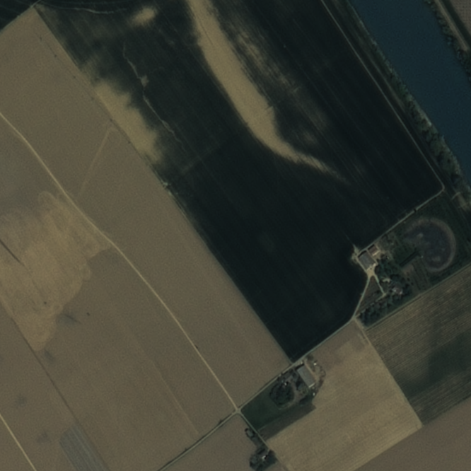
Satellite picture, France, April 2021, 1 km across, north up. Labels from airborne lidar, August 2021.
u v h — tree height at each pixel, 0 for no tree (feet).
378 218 0
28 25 0
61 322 0
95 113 0
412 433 0
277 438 0
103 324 0
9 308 0
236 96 0
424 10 0
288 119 0
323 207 0
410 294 35
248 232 0
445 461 0
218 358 0
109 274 0
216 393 0
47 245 0
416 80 0
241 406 0
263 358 0
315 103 0
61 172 0
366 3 0
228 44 0
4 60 0
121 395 0
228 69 0
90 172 0
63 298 0
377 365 0
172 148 0
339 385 0
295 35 0
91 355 0
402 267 17
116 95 0
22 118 0
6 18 0
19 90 0
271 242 0
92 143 0
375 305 25
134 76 0
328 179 0
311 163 0
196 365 0
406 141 0
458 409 0
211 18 0
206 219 0
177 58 0
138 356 0
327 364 0
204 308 0
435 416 0
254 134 0
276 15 0
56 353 0
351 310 0
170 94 0
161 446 0
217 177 0
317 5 0
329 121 0
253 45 0
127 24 0
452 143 0
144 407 0
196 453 0
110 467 0
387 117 0
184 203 0
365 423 0
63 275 0
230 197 0
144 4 0
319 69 0
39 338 0
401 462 0
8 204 0
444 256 0
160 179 0
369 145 0
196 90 0
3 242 0
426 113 0
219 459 0
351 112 0
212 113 0
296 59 0
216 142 0
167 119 0
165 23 0
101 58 0
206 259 0
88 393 0
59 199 0
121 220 0
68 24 0
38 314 0
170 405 0
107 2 0
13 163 0
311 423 0
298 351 0
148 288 0
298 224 0
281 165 0
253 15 0
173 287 0
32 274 0
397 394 0
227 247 0
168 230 0
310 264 0
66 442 0
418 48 0
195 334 0
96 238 0
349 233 0
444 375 0
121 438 0
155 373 0
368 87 0
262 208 0
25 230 0
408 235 0
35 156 0
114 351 0
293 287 0
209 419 0
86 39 0
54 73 0
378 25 0
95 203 0
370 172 0
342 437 0
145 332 0
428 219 0
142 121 0
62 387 0
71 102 0
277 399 20
